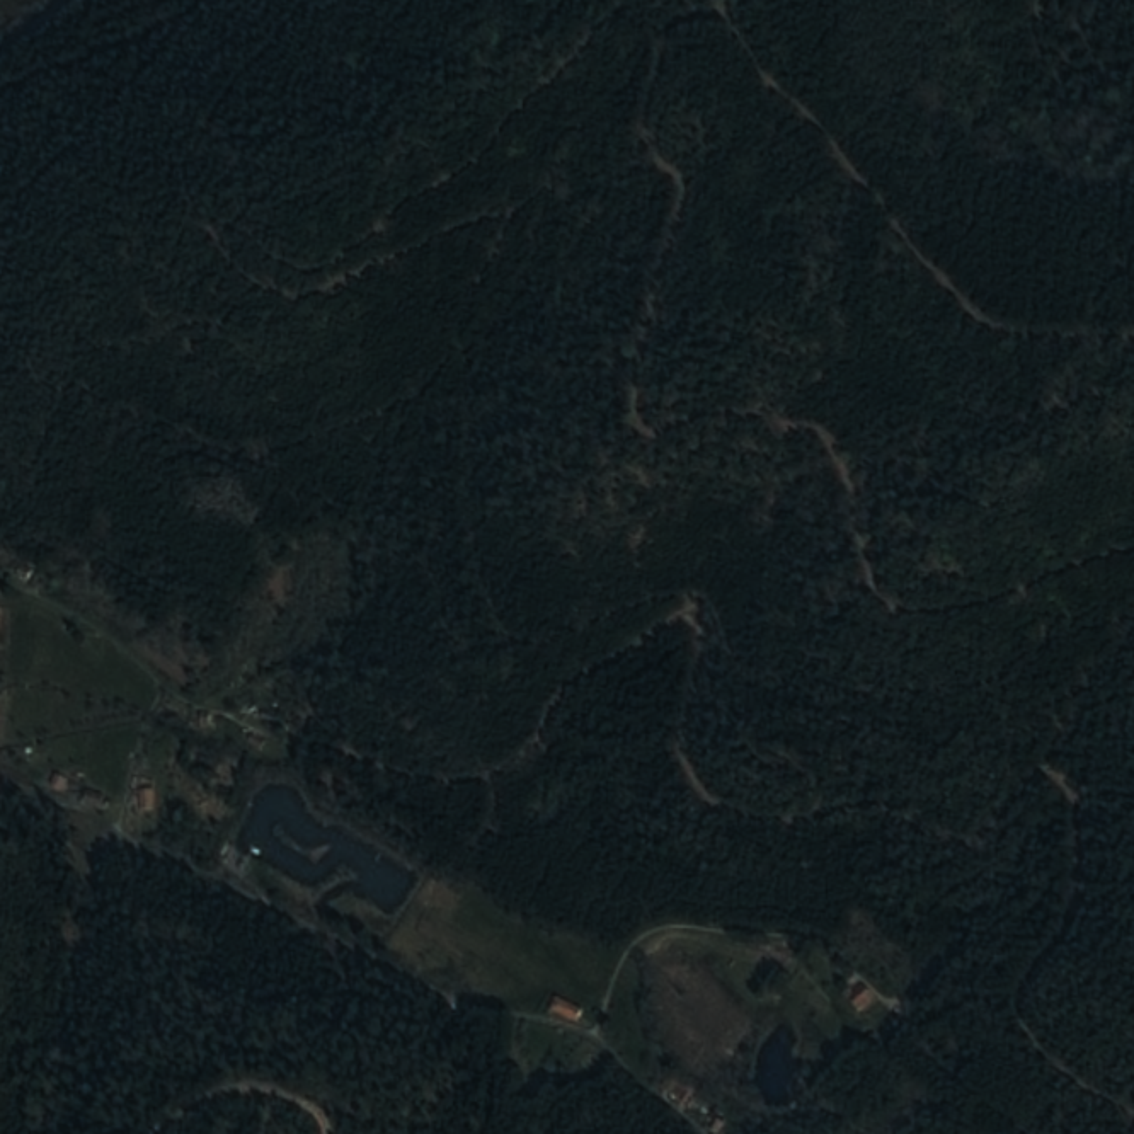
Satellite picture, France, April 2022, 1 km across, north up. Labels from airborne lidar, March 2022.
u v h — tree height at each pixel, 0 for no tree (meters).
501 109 19
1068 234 22
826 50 21
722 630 9
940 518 23
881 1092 26
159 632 16
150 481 28
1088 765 24
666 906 15
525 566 13
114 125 14
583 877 21
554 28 16
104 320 12
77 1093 8
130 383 15
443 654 11
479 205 19
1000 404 18
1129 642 22
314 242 18
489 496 9
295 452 18
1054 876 33
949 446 18
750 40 19
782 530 15
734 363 20
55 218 15
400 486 31
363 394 14
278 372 15
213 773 14
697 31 21
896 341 13
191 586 24
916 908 37
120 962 13
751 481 27
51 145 13
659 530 10
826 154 19
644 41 19
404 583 10
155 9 17
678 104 12
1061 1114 16
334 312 16
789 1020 0
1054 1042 23
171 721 16
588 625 15
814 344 10
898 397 13
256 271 16
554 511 12
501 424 10
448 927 0
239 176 19
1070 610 20
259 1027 27
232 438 20
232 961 12
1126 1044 23
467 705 13
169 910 11
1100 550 12
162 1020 14
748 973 0
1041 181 22
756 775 22
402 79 17
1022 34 18
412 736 6
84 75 16
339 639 29
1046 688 27
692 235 10
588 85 15
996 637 23
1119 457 21
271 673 12
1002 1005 25
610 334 11
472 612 19
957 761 15
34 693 0
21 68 23
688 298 13
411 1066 27
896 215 19
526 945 0
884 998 0
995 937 27
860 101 16
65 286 15
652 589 14
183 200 22
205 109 17
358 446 18
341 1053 27
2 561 7
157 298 13
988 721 21
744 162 15
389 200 22
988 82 18
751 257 15
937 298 9
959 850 20
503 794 17
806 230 10
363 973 19
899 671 24
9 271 10
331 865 0
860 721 17
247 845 0
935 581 11
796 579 22
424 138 16
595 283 10
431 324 26
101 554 28
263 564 9
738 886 13
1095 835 29
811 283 9
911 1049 32
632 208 11
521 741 12
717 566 14
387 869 0
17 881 10
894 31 18
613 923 19
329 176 16
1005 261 24
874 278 16
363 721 10
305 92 13
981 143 20
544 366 19
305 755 29
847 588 7
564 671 19
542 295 18
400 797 22
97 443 18
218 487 26
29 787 0
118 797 0
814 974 10
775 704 17
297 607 8
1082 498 27
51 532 18
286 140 20
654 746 26
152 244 15
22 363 21
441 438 32
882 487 8
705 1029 0
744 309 11
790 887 18
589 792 19
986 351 17
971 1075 27
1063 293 23
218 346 12
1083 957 20
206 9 19
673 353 17
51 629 0
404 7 18
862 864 22
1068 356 21
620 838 20
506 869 21
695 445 29
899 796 22
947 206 23
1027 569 24
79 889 29
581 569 8
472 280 15
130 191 17
